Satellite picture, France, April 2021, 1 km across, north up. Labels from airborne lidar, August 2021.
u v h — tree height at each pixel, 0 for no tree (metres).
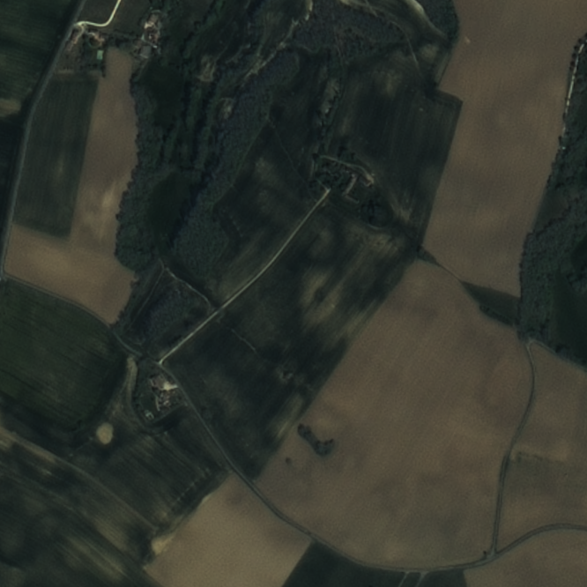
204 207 16
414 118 0
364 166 0
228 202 0
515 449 0
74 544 0
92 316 0
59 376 0
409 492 0
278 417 0
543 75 0
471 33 0
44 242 0
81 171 0
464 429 0
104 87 0
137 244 16
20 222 0
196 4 0
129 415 0
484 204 0
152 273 20
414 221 0
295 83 0
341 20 14
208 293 0
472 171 0
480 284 0
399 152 0
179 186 0
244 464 0
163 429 0
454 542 0
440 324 0
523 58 0
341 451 0
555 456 0
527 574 0
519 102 0
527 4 0
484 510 0
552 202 0
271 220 0
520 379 0
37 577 0
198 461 0
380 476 0
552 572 0
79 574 0
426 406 0
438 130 0
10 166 0
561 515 0
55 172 0
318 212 0
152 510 0
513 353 0
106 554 0
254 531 0
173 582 0
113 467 0
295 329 0
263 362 0
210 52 0
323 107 0
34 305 0
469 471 0
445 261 0
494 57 0
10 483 0
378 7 0
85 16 0
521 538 0
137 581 0
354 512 0
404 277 0
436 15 14
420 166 0
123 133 0
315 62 0
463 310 0
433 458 0
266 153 0
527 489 0
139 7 0
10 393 0
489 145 0
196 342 0
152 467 0
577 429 0
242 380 0
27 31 0
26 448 0
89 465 0
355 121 0
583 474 0
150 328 17
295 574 0
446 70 0
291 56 16
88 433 0
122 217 10
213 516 0
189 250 20
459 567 0
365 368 0
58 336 0
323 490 0
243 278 0
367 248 0
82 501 0
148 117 19
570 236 17
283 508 0
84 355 0
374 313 0
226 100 0
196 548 0
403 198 0
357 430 0
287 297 0
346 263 0
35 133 0
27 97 0
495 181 0
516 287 0
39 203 0
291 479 0
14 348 0
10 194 0
